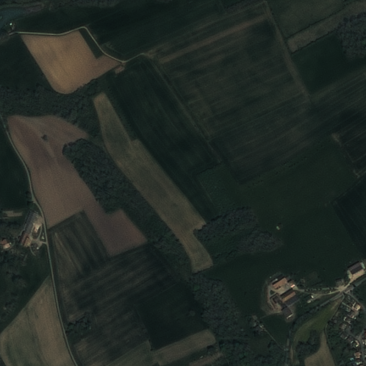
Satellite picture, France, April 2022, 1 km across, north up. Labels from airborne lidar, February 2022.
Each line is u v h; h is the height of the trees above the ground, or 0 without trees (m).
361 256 0
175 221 0
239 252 15
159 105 0
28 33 0
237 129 0
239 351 25
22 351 0
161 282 0
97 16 0
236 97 0
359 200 0
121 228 0
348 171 0
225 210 6
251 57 0
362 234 0
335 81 0
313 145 0
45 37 0
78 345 0
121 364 0
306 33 0
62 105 17
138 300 0
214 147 0
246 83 0
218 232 16
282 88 0
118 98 0
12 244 0
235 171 0
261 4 0
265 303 0
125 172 0
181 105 0
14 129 0
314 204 0
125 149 0
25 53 0
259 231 12
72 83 0
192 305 0
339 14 0
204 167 0
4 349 0
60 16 0
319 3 0
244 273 0
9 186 0
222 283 11
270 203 0
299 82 0
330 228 0
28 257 0
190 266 0
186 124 0
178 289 0
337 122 0
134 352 0
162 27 0
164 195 0
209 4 0
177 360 0
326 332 0
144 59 0
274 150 0
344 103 0
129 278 0
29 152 0
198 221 0
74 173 0
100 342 0
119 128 0
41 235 0
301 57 0
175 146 0
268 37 0
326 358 0
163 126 0
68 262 0
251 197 0
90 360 0
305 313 0
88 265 0
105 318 0
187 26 0
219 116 0
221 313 21
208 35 0
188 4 0
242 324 0
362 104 0
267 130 0
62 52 0
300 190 0
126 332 0
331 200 0
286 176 0
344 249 0
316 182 0
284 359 24
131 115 0
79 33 0
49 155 0
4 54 0
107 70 0
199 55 0
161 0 15
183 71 0
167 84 0
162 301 0
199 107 0
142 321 0
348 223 0
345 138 0
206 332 0
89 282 0
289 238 0
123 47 0
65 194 0
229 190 0
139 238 0
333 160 0
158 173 0
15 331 0
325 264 0
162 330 0
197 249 0
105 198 26
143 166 0
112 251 0
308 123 0
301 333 0
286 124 0
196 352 0
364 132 0
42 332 0
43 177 0
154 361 0
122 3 0
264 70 0
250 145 0
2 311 0
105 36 0
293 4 0
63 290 0
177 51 0
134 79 0
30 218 0
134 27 0
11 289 0
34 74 0
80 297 0
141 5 0
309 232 0
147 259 0
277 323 0
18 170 0
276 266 0
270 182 0
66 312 0
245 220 19
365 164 0
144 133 0
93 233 0
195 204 0
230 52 0
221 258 6
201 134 0
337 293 0
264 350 0
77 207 0
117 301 0
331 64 0
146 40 0
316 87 0
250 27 0
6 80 0
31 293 0
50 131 0
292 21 0
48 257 0
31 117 0
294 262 0
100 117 0
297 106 0
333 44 0
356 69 0
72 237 0
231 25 0
